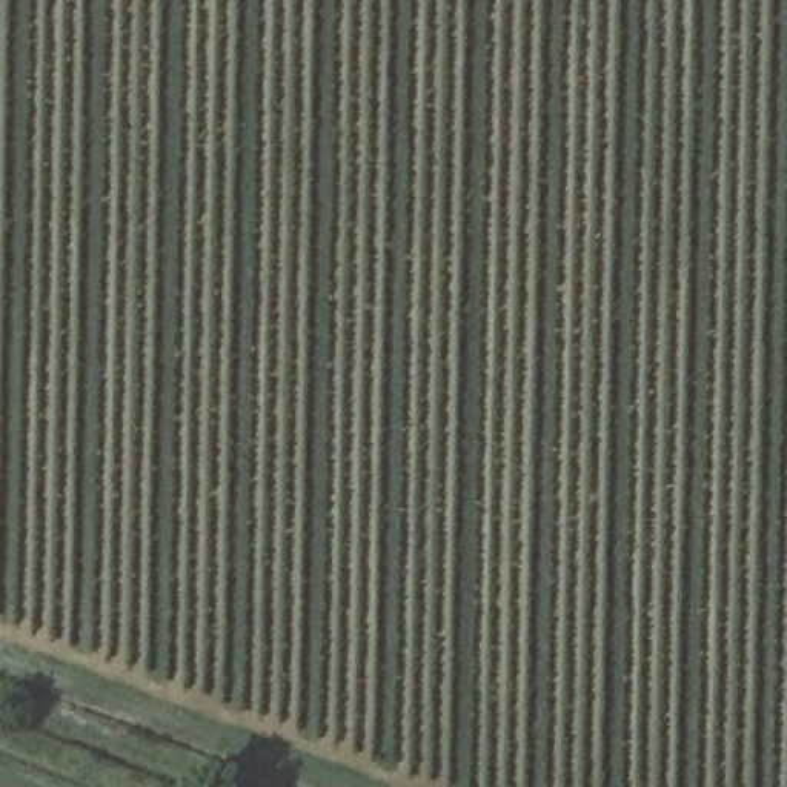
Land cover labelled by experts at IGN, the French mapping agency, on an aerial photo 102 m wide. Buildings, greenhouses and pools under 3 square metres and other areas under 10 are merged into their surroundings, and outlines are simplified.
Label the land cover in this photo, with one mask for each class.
<instances>
[{"label":"vineyard","instance_id":"1","mask_svg":"<svg viewBox=\"0 0 787 787\"><path fill-rule=\"evenodd\" d=\"M0 621H31V630L52 633V639L61 636L80 652L98 649L108 658L117 655L126 664L144 667L154 679H172L175 667H184V689L194 686L200 692L218 695L231 710H258L277 713L280 719H295L304 735H326L332 741H344L354 750L369 753L384 769H394L403 759L409 762V775L440 778L449 787H787V0H0ZM77 664L0 639V670L18 676L43 673L61 692L71 682L68 676Z\"/></svg>","mask_w":787,"mask_h":787},{"label":"herbaceous vegetation","instance_id":"2","mask_svg":"<svg viewBox=\"0 0 787 787\"><path fill-rule=\"evenodd\" d=\"M71 682L61 692L43 673L18 676L0 670V787H157L148 784L151 772L172 775V781L178 784L191 769H203L206 759L218 765H234V787H295L298 769L289 759L292 747L310 756L350 765L390 787H449L440 778L409 775V762L403 759L394 769H384L369 753L354 750L344 741H332L326 735H304L295 719H280L277 713L258 710H231L218 695L200 692L191 707H181L77 664L68 676Z\"/></svg>","mask_w":787,"mask_h":787},{"label":"plowed land","instance_id":"3","mask_svg":"<svg viewBox=\"0 0 787 787\"><path fill-rule=\"evenodd\" d=\"M0 639L77 664L181 707H191L200 692L194 686L184 689V667H175L172 679H154L144 667L126 664L117 655L108 658L98 649L80 652L61 636L52 639V633L31 630V621H0Z\"/></svg>","mask_w":787,"mask_h":787},{"label":"deciduous trees","instance_id":"4","mask_svg":"<svg viewBox=\"0 0 787 787\"><path fill-rule=\"evenodd\" d=\"M289 759L298 769L295 787H390L350 765L310 756L292 747ZM148 784L157 787H234V765H218L206 759L203 769H191L178 784L172 781V775L151 772Z\"/></svg>","mask_w":787,"mask_h":787}]
</instances>
